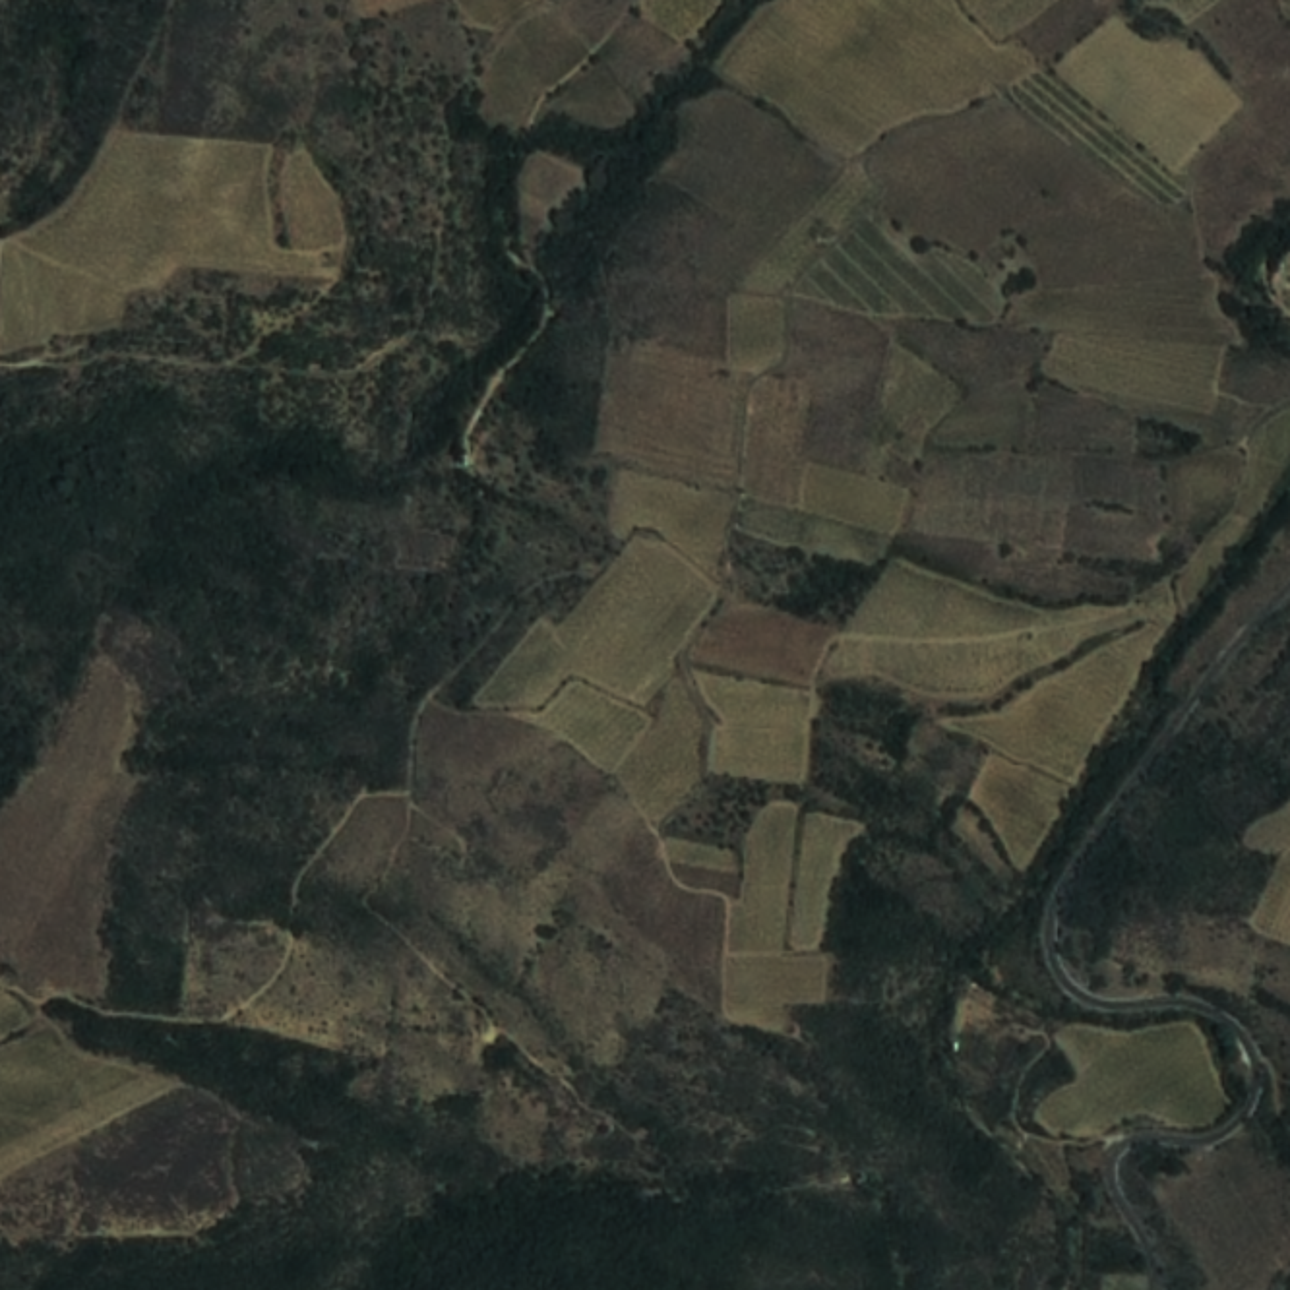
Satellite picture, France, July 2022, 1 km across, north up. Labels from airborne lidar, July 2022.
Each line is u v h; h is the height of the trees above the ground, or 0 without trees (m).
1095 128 0
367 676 7
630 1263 8
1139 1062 0
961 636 0
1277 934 0
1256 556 8
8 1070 0
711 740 0
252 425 8
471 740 0
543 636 0
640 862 0
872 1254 7
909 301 0
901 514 0
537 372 6
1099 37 0
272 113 0
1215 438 0
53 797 0
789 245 0
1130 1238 6
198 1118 0
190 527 8
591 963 0
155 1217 0
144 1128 0
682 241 0
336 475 7
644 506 0
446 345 8
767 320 0
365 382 6
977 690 0
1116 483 0
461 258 8
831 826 0
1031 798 0
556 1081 0
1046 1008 7
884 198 0
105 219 0
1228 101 0
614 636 0
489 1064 6
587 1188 8
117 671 0
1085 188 0
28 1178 0
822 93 0
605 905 0
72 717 0
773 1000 0
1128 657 0
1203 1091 0
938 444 0
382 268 6
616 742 0
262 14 0
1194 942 0
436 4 0
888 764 6
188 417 12
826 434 0
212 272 0
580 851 0
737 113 0
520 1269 8
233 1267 7
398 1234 11
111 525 0
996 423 0
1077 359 0
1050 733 0
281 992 0
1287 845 0
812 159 0
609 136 12
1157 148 0
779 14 0
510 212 12
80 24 6
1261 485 0
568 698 0
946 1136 8
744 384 0
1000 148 0
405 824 0
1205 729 7
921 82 0
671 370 0
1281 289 0
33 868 0
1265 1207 0
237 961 0
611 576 0
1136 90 0
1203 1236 0
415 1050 0
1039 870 10
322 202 0
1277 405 0
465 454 11
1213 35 0
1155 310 0
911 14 0
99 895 0
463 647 11
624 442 0
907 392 0
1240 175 0
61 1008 5
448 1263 10
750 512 0
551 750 0
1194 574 0
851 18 0
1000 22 0
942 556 0
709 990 0
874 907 8
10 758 6
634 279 0
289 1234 6
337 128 0
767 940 0
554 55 0
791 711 0
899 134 0
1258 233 9
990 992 7
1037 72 0
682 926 0
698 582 0
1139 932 0
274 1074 6
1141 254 0
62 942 0
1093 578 0
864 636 0
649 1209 6
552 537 0
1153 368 0
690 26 0
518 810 0
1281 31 0
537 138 15
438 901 0
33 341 0
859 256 0
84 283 0
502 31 0
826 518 0
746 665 0
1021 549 0
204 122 0
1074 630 0
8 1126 0
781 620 0
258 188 0
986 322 0
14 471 14
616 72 0
